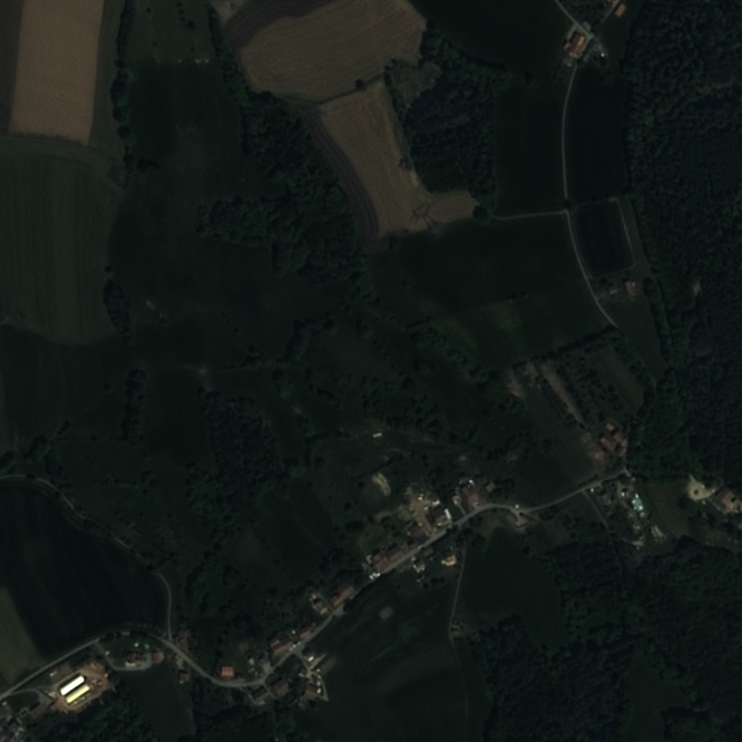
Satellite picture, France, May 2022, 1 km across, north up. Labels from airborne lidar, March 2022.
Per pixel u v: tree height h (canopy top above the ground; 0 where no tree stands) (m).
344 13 0
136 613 0
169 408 0
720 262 13
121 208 0
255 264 0
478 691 0
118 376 0
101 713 22
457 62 28
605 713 14
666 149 15
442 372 0
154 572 9
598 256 0
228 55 9
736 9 30
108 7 0
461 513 0
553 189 0
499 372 7
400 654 0
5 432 0
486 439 0
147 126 0
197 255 0
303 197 23
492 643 23
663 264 15
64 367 0
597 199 7
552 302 0
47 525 0
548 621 0
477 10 0
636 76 24
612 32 0
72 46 0
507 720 17
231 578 13
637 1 0
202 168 0
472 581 0
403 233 0
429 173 15
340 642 0
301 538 0
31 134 0
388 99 0
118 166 0
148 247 0
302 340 19
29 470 0
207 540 0
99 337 0
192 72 0
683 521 0
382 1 0
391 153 0
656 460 14
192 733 0
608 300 0
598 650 26
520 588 0
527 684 18
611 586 8
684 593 18
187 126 0
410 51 0
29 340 0
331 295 0
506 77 16
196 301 0
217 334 0
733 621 32
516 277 0
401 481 0
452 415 0
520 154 0
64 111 0
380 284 0
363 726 0
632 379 0
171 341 0
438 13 0
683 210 8
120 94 21
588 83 0
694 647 9
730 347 21
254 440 15
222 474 8
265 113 14
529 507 0
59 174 0
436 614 0
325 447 0
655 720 0
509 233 0
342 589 0
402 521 0
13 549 0
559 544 0
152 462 0
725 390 24
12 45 0
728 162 14
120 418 0
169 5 0
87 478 0
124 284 0
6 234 0
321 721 0
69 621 0
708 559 20
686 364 23
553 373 0
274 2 0
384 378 0
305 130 10
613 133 0
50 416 0
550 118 0
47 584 0
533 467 0
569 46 0
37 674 0
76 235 0
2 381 0
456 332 0
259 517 0
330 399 16
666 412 18
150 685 0
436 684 0
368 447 0
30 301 0
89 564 0
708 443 27
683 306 18
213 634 0
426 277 0
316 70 0
